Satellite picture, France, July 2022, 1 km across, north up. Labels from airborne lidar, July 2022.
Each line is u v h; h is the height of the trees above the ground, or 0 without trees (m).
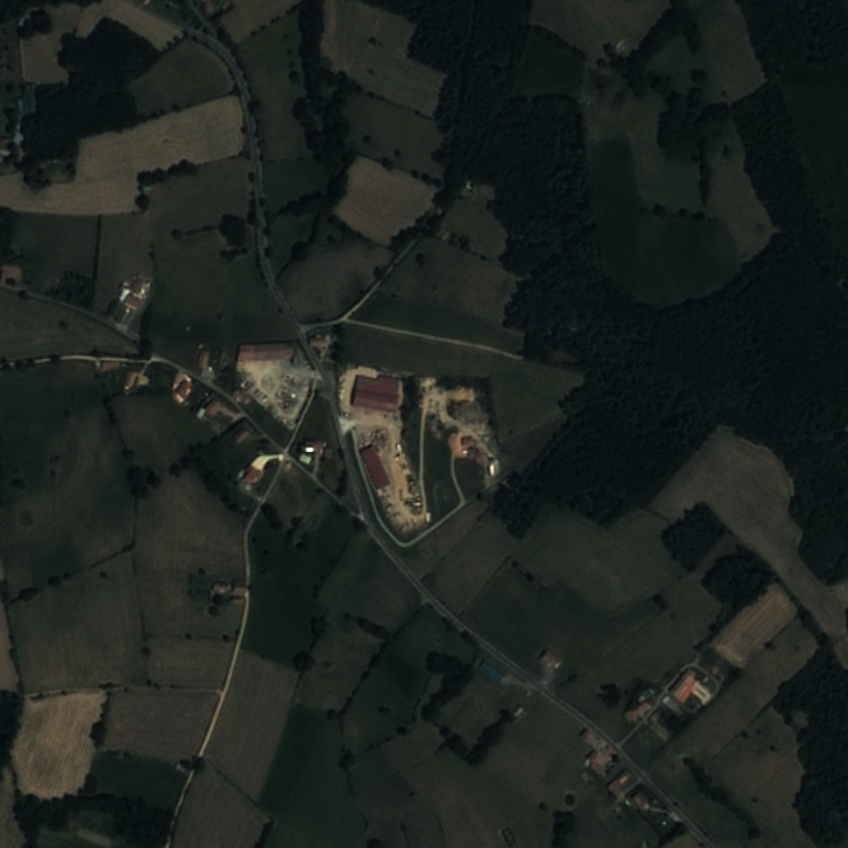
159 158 0
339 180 21
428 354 0
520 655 0
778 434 12
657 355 19
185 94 0
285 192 0
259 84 0
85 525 0
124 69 15
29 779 0
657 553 0
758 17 10
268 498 0
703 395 18
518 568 8
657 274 0
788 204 20
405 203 0
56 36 0
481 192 0
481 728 0
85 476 0
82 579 0
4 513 0
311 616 0
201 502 0
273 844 0
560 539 0
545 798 0
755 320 16
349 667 0
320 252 0
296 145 0
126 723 0
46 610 0
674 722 6
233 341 0
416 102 0
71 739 0
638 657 0
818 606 0
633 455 15
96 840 0
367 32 0
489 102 24
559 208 14
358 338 0
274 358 0
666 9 0
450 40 13
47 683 0
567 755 0
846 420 7
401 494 0
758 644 0
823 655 8
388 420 0
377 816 0
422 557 0
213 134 0
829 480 9
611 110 0
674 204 0
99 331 0
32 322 0
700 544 20
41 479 0
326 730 0
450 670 25
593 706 0
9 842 0
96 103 19
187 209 0
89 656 0
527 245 17
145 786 0
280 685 0
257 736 0
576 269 21
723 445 0
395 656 0
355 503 0
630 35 0
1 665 0
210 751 0
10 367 10
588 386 10
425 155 0
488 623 0
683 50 0
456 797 0
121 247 0
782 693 9
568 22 0
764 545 0
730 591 14
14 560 0
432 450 0
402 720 0
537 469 6
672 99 23
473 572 0
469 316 0
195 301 0
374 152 0
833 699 6
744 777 0
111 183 0
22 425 0
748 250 0
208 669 0
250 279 0
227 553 0
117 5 0
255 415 0
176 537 0
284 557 0
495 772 0
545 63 0
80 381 0
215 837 0
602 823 0
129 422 0
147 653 10
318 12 24
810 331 13
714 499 0
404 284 0
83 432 0
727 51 0
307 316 0
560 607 0
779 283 16
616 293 19
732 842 0
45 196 0
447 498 0
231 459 0
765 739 0
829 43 26
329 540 0
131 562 0
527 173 14
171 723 0
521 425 0
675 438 11
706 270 0
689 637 0
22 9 14
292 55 6
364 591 0
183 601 0
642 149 0
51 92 15
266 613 0
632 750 0
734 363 28
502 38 12
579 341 15
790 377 13
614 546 0
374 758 0
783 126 11
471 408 0
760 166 17
